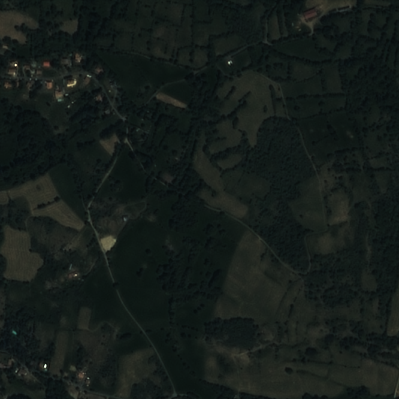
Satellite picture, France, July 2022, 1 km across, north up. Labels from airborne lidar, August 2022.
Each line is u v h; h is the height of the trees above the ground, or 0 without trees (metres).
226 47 0
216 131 11
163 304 0
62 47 9
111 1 15
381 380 0
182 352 0
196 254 9
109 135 16
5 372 16
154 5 7
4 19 0
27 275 0
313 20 0
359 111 15
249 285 0
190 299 12
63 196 0
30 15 0
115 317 0
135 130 7
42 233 0
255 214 0
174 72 0
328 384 0
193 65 0
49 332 0
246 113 0
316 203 0
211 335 9
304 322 0
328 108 0
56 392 16
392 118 9
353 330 9
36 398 0
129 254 0
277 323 7
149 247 0
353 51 12
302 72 0
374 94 18
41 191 0
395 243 8
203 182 11
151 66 0
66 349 0
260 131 10
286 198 8
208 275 9
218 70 7
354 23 11
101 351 0
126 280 0
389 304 9
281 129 8
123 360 0
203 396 0
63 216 0
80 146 18
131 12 0
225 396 10
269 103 0
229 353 0
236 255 0
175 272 14
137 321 0
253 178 0
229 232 0
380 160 0
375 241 14
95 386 0
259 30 8
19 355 10
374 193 6
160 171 6
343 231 0
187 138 11
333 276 11
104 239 0
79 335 0
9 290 0
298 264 7
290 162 7
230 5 10
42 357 10
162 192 6
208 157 9
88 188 0
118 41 0
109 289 0
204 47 8
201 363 0
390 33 0
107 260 8
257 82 0
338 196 0
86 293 0
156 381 0
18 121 17
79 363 10
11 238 0
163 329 6
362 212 10
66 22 0
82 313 0
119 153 8
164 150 14
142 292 0
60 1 0
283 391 0
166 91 0
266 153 9
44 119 14
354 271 6
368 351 11
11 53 10
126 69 0
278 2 14
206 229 13
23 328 14
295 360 12
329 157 8
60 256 0
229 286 0
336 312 0
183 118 0
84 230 0
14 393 0
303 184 0
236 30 9
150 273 0
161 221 0
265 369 0
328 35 13
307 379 0
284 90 0
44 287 0
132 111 10
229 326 7
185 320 0
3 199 0
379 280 10
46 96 0
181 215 15
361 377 0
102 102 10
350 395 15
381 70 15
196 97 8
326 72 0
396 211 17
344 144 0
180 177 7
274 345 8
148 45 9
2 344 17
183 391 0
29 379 0
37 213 0
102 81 17
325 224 0
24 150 17
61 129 0
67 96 7
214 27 0
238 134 0
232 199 0
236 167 9
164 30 0
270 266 0
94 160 0
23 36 0
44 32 16
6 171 20
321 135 0
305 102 0
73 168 14
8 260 0
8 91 0
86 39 16
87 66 15
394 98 20
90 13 16
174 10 0
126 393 0
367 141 0
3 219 9
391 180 6
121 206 0
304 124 0
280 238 9
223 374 0
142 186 0
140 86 0
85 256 0
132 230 0
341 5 0
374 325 0
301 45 0
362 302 8
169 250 12
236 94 0
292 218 8
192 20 7
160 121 14
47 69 0
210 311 0
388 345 9
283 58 14
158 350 0
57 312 7
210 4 12
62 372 12
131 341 0
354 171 14
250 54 12
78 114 17
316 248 0
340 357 0
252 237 0
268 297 0
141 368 0
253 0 14
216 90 6
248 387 0
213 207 0
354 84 15
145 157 16
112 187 9
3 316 7
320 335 0
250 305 0
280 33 10
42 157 14
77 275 0
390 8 13
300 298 0
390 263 11
